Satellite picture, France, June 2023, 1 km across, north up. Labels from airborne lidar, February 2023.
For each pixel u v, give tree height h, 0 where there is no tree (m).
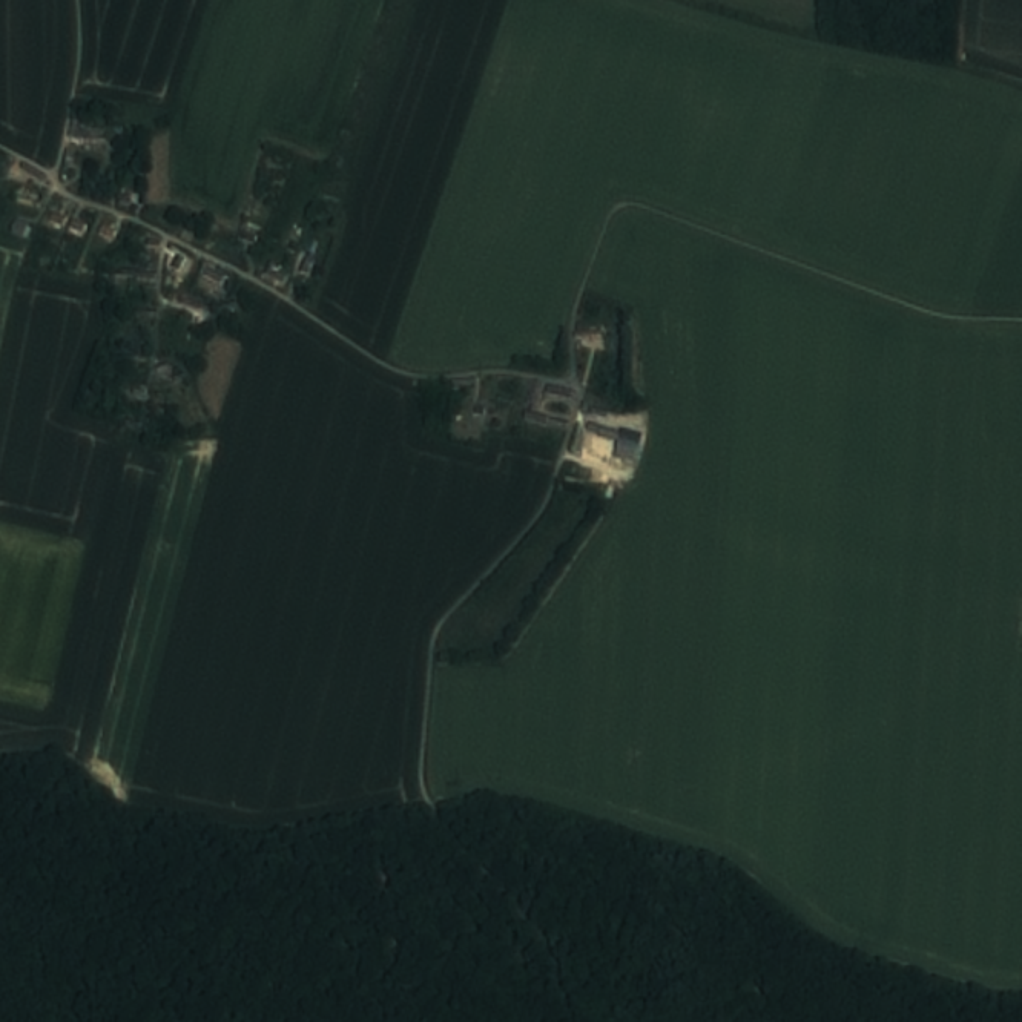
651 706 0
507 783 0
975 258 0
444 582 0
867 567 0
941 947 0
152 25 0
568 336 13
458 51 0
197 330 10
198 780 0
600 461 0
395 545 0
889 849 0
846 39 13
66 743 0
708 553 0
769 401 0
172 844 24
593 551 0
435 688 0
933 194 0
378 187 0
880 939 0
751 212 0
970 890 0
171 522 0
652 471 0
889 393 0
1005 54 0
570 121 0
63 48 0
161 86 0
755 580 0
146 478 0
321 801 0
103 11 0
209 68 0
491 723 0
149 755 0
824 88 0
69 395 0
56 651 0
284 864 24
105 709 0
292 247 8
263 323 0
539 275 0
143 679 0
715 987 20
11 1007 21
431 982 28
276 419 0
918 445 0
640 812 0
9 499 0
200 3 0
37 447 0
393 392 0
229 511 0
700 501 0
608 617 0
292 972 22
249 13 0
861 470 0
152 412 6
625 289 0
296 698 0
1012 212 0
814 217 0
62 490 0
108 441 0
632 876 21
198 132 0
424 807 13
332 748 0
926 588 0
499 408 6
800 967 23
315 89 0
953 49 11
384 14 0
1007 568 0
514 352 0
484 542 0
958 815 0
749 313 0
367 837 23
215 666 0
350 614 0
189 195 0
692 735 0
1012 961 0
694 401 0
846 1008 20
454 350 0
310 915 25
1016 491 0
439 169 0
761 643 0
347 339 0
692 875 20
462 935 28
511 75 0
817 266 0
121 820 19
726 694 0
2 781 22
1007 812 0
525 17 0
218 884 25
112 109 11
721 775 0
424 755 0
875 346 0
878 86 0
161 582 0
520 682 0
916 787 0
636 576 0
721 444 0
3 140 0
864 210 0
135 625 0
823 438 0
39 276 0
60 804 25
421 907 25
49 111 0
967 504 0
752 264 0
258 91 0
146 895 23
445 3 0
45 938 19
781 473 0
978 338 0
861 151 0
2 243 0
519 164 0
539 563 0
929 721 0
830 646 0
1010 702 0
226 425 0
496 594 0
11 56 0
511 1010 21
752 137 0
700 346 0
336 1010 16
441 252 0
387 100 0
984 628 0
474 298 0
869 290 0
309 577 0
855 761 0
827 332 0
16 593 0
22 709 0
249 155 0
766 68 0
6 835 23
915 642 0
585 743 0
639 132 0
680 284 0
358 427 0
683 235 0
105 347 6
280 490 0
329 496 0
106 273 8
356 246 0
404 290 0
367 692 0
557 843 26
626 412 7
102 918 25
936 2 15
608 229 0
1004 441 0
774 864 0
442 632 0
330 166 8
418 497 0
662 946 23
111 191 13
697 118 0
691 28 0
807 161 0
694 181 0
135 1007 24
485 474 0
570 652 0
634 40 0
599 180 0
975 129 0
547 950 15
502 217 0
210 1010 25
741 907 18
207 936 25
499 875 23
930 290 0
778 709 0
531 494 0
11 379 0
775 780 0
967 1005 21
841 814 0
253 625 0
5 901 21
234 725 0
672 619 0
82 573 0
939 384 0
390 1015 24
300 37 0
